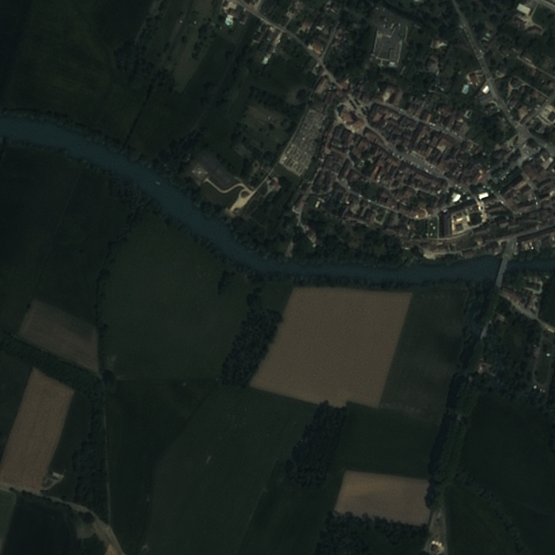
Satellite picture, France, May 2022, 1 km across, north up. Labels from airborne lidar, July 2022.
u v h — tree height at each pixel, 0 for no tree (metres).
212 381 0
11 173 0
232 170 13
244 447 0
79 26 0
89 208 0
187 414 0
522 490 0
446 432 29
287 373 0
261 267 0
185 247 0
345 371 0
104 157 0
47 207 0
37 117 16
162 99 0
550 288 20
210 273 0
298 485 24
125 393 0
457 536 0
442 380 0
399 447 0
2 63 0
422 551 0
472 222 10
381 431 0
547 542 0
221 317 0
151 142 0
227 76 0
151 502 0
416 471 0
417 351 0
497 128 13
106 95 0
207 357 0
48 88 0
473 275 0
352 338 0
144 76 15
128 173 0
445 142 0
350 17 11
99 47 0
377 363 0
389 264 21
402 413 0
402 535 21
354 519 26
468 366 31
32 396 0
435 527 0
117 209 0
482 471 0
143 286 0
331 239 17
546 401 22
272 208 6
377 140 0
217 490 0
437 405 0
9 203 0
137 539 0
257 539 0
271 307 0
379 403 0
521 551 19
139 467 0
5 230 0
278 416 0
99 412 16
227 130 0
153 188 0
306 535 0
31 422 0
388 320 0
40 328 0
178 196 0
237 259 0
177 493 0
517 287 15
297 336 0
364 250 6
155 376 0
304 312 0
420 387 0
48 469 0
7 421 0
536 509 0
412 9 13
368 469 0
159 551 0
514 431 0
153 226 0
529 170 0
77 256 0
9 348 15
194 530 0
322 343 0
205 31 15
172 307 0
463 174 0
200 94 0
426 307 0
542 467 0
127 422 0
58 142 0
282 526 0
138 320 0
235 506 0
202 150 12
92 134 18
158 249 0
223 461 0
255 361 20
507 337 0
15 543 0
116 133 0
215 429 0
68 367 14
